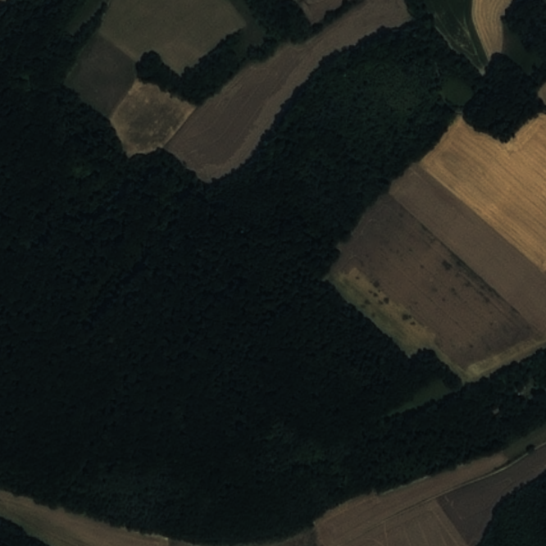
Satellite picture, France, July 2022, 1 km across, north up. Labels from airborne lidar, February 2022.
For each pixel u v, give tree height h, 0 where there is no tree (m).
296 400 25
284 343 24
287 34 22
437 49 19
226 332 24
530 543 7
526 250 0
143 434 21
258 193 17
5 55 18
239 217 18
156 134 0
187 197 29
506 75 25
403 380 21
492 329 0
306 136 23
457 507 0
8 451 24
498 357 0
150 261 25
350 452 14
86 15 0
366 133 7
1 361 22
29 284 21
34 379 25
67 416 23
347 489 19
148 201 29
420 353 12
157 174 27
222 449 26
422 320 0
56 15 20
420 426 18
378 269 0
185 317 26
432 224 0
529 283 0
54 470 24
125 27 0
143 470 17
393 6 0
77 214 8
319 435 21
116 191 13
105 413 26
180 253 29
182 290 22
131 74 0
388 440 19
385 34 25
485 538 11
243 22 0
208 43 0
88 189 26
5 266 23
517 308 0
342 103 8
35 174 25
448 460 9
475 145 0
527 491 15
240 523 19
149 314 28
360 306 0
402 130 9
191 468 19
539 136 0
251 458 22
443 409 23
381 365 24
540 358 18
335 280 0
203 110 0
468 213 0
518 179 0
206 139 0
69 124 25
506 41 0
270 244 15
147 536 0
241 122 0
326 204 24
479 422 22
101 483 15
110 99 0
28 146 26
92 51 0
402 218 0
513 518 10
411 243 0
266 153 26
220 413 24
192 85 16
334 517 0
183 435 25
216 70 25
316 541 0
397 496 0
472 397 16
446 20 0
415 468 8
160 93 0
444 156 0
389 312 0
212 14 0
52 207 30
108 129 14
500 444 19
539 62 0
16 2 14
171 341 21
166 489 17
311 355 26
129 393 22
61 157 23
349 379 23
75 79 0
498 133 13
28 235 26
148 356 25
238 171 12
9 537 24
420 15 12
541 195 0
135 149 0
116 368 24
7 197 21
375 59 13
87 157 20
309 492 16
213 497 17
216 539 9
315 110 8
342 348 26
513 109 25
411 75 14
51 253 22
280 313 23
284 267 22
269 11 18
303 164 18
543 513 16
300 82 0
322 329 23
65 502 22
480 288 0
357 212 25
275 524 16
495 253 0
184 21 0
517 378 8
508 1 0
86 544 0
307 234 21
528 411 20
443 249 0
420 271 0
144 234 26
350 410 23
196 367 24
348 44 0
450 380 18
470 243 0
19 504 0
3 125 30
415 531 0
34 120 23
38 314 26
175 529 16
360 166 19
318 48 0
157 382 25
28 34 23
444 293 0
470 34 0
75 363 26
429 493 0
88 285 25
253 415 24
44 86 23
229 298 27
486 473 0
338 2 0
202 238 27
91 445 23
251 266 24
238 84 0
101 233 22
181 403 22
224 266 26
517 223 0
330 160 8
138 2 0
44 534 0
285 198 11
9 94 24
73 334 23
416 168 0
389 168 21
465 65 21
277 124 14
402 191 0
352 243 0
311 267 25
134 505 10
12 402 28
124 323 26
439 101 12
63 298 22
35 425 25
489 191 0
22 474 18
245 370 22
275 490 21
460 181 0
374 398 15
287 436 17
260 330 23
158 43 0
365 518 0
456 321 0
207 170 0
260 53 22
